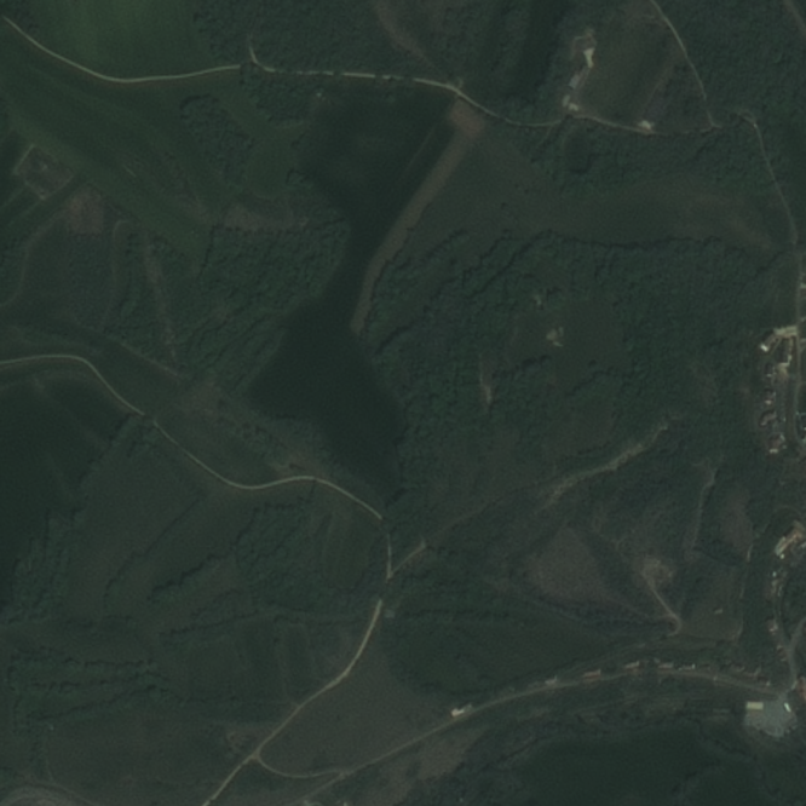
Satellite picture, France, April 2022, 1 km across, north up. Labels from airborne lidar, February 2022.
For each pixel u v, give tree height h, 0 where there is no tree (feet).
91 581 0
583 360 0
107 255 28
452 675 0
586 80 0
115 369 0
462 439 0
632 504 29
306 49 37
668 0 32
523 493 26
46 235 0
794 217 21
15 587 29
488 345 28
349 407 0
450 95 0
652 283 48
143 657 0
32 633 0
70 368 0
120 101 0
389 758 0
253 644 0
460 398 47
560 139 44
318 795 0
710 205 0
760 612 34
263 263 18
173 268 20
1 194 0
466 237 35
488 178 0
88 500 24
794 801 24
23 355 0
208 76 0
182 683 0
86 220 0
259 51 34
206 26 34
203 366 39
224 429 40
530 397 51
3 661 0
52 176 0
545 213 0
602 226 0
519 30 60
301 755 0
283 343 0
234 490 0
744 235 0
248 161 43
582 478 37
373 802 0
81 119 0
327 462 33
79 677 0
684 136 20
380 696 0
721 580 0
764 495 51
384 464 0
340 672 0
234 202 0
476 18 40
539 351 0
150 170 0
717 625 0
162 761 0
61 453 0
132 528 0
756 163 59
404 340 47
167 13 0
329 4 48
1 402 0
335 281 0
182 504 0
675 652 20
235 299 42
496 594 36
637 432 19
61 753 0
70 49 0
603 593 0
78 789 0
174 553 0
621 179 53
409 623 25
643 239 0
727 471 27
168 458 23
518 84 0
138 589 0
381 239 0
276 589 21
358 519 0
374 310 21
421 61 26
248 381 42
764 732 26
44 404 0
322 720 0
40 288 0
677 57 0
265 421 33
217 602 31
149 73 0
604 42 0
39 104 0
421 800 54
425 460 35
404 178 0
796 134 0
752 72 57
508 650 0
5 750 0
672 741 0
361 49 25
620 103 0
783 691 0
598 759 0
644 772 0
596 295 0
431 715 0
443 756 0
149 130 0
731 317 55
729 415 28
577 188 47
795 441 0
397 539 44
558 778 0
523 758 0
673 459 48
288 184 25
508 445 0
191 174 0
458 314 53
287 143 0
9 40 0
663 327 27
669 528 27
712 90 42
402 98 0
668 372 21
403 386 23
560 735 68
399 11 0
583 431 0
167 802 0
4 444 0
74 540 29
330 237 43
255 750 0
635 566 0
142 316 23
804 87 70
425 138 0
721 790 0
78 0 0
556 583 0
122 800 0
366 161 0
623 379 28
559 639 0
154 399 0
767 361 0
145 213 0
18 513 0
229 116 35
